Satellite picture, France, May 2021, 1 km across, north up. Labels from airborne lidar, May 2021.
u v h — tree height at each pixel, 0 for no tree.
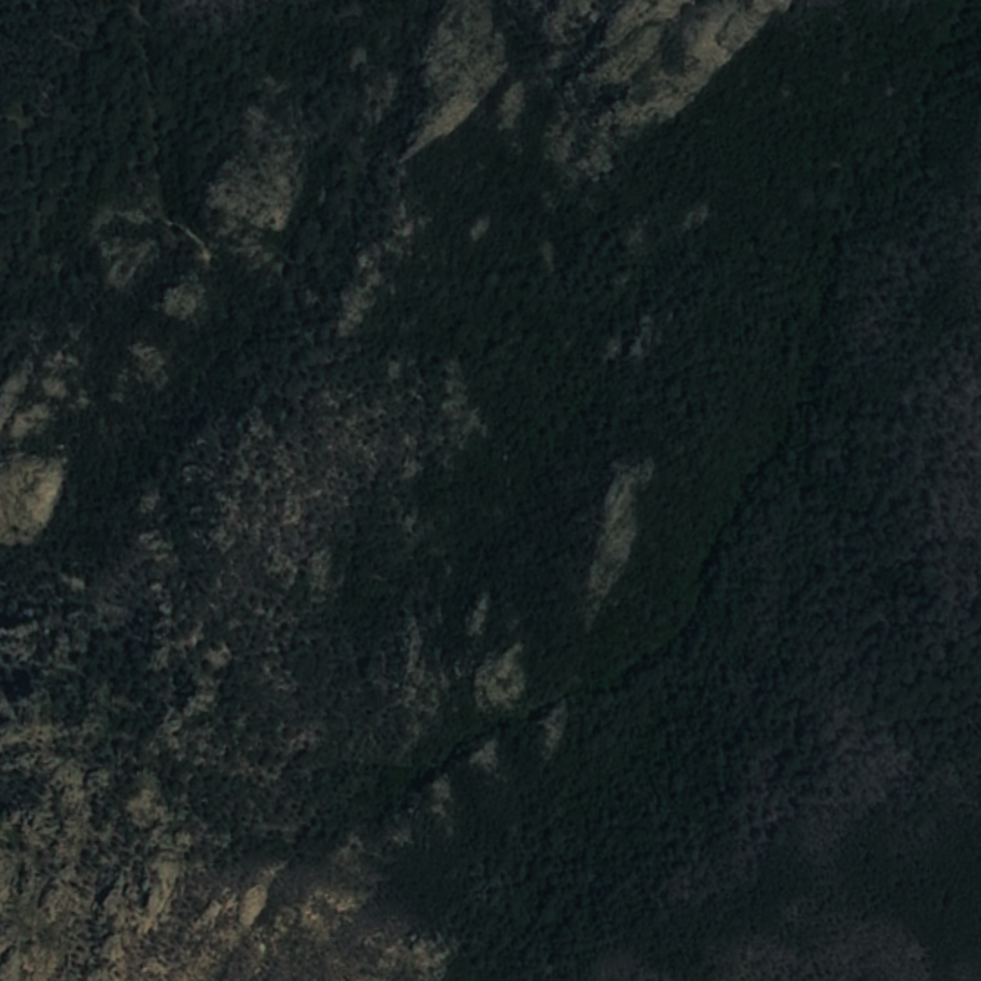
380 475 16
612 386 12
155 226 13
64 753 13
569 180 8
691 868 20
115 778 11
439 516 11
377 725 19
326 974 13
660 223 8
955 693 31
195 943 10
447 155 7
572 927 25
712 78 9
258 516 14
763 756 9
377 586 16
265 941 13
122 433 12
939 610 25
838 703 26
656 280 6
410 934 9
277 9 28
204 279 9
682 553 10
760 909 17
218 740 21
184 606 9
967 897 23
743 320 12
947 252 17
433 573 11
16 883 14
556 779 7
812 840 20
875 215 14
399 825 9
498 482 12
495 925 11
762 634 13
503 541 13
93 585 17
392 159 13
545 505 12
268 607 16
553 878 30
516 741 9
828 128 18
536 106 6
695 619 13
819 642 26
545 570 16
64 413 10
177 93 25
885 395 16
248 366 21
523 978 24
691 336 17
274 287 9
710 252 16
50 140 18
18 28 24
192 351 8
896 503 16
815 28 12
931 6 18
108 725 12
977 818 23
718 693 13
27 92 27
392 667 15
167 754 15
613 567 8
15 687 14
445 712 12
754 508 13
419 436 16
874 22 17
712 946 14
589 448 13
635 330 14
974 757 31
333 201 29
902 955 18
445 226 6
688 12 21
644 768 12
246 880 15
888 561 31
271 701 17
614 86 11
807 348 19
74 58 21
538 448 14
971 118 18
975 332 16
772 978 18
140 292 11
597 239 20
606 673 17
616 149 6
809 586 30
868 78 11
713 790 14
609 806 13
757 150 9
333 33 15
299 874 20
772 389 16
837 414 18
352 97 16
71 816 7
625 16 0
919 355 24
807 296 9
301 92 7
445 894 20
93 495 13
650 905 19
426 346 15
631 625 15
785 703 18
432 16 13
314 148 9
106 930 16
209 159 16
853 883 18
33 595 10
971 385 26
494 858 15
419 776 9
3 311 19
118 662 23
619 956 8
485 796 10
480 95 11
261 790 15
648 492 13
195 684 13
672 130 21
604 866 13
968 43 22
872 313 17
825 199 19
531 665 8
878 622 18
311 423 14
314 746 29
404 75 11
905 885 19
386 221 21
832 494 19
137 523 7
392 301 13
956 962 20
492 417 14
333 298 30
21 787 17
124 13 16
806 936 15
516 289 20
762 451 12
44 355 8
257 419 13
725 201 13
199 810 24
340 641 21
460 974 6
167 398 12
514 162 14
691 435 19
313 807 17
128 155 21
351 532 19
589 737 13
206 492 11
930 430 16
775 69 7
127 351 8
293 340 13
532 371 19
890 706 34
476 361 16
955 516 25
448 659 13
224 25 22
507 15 8
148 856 11
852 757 24
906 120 10
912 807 22
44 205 27
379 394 22
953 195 14
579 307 17
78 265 9
